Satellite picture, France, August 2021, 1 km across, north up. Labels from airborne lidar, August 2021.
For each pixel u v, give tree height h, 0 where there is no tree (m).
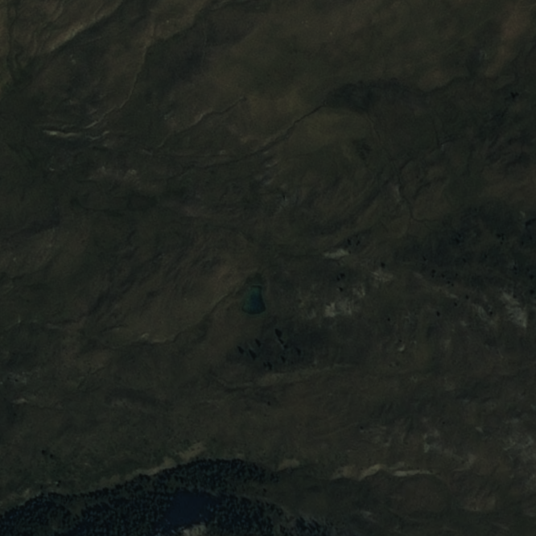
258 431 0
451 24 0
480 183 0
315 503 0
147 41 0
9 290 0
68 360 0
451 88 0
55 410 0
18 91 0
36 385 0
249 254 0
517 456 0
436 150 0
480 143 0
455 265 0
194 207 0
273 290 0
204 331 0
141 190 0
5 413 0
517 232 0
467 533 0
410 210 0
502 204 0
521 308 0
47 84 0
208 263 0
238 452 0
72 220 0
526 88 0
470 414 0
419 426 0
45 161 0
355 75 0
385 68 0
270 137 0
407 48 0
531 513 0
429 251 0
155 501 8
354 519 0
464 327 0
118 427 0
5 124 0
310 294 0
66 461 0
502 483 0
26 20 0
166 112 0
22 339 0
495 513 0
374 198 0
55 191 0
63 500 9
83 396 0
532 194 0
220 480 12
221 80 0
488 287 0
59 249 0
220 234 0
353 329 0
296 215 0
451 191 0
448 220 0
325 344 0
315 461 0
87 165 0
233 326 0
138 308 0
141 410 0
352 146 0
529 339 0
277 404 0
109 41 0
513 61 0
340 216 0
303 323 0
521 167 0
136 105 0
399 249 0
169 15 0
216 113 0
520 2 0
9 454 0
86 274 0
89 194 0
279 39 0
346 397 0
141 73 0
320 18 0
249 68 0
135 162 0
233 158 0
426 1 0
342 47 0
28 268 0
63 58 0
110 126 0
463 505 0
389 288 0
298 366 0
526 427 0
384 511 0
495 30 0
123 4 0
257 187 0
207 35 0
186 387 0
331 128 0
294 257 0
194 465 8
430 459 0
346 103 0
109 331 0
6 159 0
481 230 0
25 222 0
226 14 0
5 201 0
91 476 0
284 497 0
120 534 10
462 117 0
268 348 0
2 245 0
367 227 0
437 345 0
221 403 0
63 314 0
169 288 0
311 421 0
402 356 0
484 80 0
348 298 0
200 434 0
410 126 0
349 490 0
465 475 0
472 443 0
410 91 0
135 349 0
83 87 0
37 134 0
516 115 0
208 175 0
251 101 0
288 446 0
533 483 0
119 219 0
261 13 0
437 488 0
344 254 0
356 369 0
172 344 0
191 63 0
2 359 0
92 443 0
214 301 0
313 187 0
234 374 0
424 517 0
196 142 0
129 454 0
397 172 0
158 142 0
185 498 15
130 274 0
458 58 0
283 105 0
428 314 0
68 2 0
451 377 0
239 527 11
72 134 0
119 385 0
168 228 0
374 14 0
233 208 0
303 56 0
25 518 17
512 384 0
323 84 0
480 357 0
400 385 0
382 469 0
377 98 0
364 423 0
